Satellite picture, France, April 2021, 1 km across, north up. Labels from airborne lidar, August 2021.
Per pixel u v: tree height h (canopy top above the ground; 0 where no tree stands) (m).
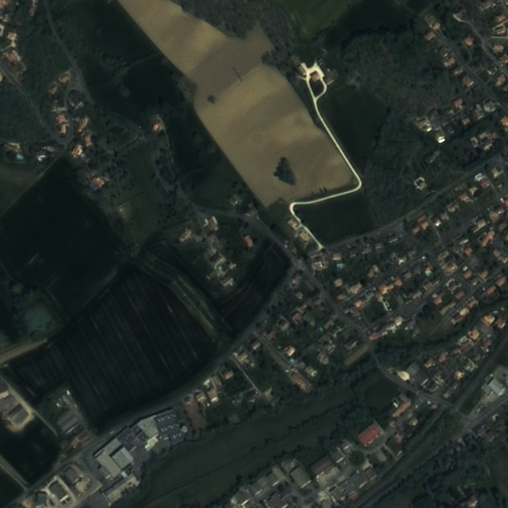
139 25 0
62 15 11
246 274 0
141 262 0
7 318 0
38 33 25
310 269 0
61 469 0
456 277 0
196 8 16
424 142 20
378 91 13
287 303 10
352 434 9
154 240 0
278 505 0
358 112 0
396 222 15
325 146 0
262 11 20
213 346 0
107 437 0
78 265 0
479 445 23
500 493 18
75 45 15
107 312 0
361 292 0
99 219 0
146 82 0
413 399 11
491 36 12
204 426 0
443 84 24
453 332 0
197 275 0
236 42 0
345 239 13
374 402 0
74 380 0
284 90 0
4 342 0
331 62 0
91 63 0
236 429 0
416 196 21
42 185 0
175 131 0
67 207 0
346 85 0
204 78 0
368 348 0
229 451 0
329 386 16
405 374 0
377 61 21
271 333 0
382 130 13
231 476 0
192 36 0
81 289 0
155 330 0
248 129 0
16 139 16
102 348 0
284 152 0
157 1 0
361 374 6
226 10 15
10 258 0
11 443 0
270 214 0
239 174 0
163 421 0
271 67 18
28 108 16
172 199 19
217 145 0
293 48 13
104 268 0
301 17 0
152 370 0
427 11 0
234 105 0
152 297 0
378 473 13
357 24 0
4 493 0
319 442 0
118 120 16
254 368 10
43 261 0
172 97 0
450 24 28
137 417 0
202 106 0
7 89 19
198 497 0
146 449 0
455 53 0
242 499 0
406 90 13
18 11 12
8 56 10
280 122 0
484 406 0
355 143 0
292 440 0
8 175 0
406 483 15
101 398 0
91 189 10
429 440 0
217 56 0
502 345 0
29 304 29
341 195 0
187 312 0
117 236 0
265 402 0
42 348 0
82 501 0
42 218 0
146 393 0
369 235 10
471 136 11
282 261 0
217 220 0
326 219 0
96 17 0
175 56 0
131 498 27
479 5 14
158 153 21
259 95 0
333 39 0
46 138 17
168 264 0
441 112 11
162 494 0
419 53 17
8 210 0
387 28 0
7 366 0
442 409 14
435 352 16
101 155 15
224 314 0
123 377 0
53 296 0
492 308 8
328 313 9
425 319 11
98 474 0
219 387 10
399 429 8
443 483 15
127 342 0
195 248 0
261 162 0
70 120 0
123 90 16
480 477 21
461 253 6
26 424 0
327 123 0
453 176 7
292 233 0
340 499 0
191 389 0
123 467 0
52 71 15
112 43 0
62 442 18
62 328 0
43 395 0
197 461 0
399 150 21
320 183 0
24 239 0
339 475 0
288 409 0
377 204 19
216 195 0
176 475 0
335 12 0
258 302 0
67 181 0
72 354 0
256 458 0
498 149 17
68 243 0
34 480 0
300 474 0
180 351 0
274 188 0
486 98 0
